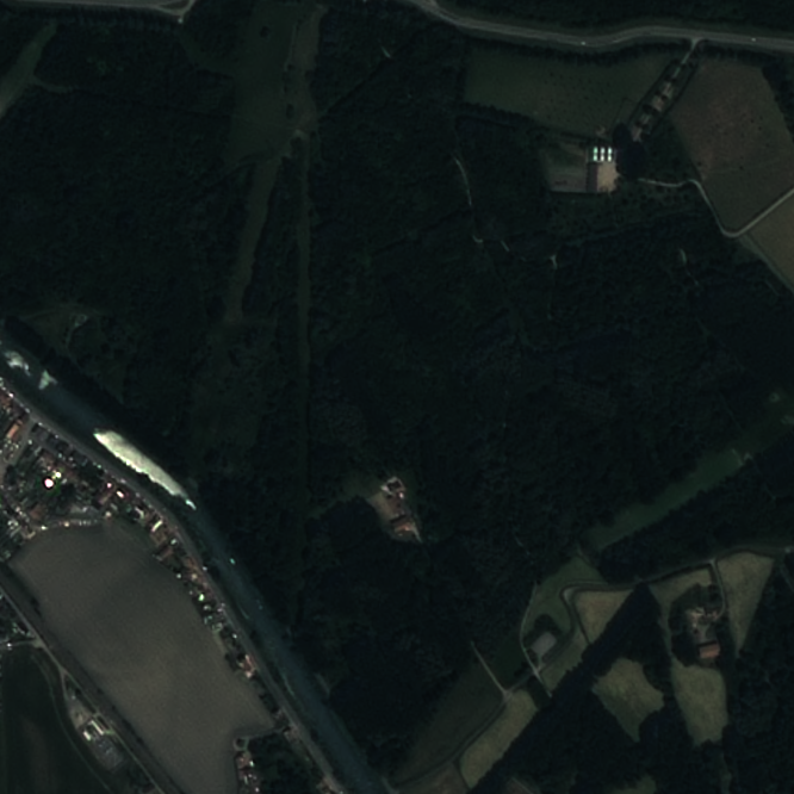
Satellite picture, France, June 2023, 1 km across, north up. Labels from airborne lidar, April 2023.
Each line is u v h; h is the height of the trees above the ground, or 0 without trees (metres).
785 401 0
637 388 14
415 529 0
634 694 0
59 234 10
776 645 13
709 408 17
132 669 0
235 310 0
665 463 26
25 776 0
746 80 0
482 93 0
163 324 14
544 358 12
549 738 25
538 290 18
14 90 0
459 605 21
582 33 0
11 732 0
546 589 0
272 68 0
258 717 0
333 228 11
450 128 8
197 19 12
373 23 12
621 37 0
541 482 7
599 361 26
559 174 0
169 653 0
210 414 0
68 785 0
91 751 0
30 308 13
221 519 20
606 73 0
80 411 0
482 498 22
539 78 0
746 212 0
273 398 11
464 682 0
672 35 0
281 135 0
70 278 11
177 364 13
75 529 0
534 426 9
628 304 10
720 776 12
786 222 0
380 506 0
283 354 12
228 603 0
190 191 16
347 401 28
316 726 0
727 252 8
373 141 10
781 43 0
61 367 19
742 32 0
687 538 16
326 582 28
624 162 22
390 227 13
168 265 14
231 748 0
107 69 10
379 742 14
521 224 11
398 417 14
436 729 0
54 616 0
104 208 13
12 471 10
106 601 0
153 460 0
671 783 26
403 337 11
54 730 0
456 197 10
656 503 0
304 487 0
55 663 0
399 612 14
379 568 30
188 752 0
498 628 25
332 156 8
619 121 0
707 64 0
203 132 13
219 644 0
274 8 0
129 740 0
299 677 0
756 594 0
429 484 26
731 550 0
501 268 13
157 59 14
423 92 11
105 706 0
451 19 0
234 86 7
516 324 0
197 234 9
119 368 0
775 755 21
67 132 18
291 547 11
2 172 8
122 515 0
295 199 6
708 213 12
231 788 0
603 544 0
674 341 15
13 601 0
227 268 9
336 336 11
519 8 16
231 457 6
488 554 24
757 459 0
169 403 15
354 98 8
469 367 10
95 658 0
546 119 0
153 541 0
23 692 0
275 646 0
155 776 0
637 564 26
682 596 0
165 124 13
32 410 0
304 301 0
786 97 9
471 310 11
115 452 0
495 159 7
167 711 0
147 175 13
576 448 14
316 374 22
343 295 11
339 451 17
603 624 0
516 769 17
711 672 0
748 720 20
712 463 0
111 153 10
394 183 11
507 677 0
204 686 0
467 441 15
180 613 0
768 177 0
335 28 23
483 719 0
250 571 13
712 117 0
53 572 0
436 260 12
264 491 15
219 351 0
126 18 20
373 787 0
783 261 0
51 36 0
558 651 0
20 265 14
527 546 7
